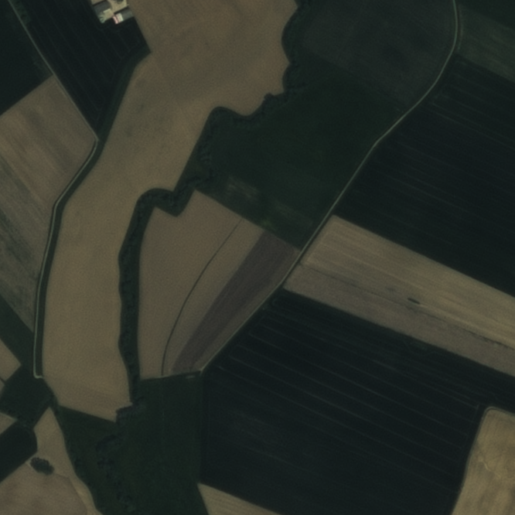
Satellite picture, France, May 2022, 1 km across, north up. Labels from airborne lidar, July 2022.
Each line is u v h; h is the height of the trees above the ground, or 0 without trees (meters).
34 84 0
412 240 0
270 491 0
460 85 0
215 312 0
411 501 0
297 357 0
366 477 0
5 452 0
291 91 8
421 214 0
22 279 0
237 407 0
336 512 0
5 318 0
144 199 14
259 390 0
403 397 0
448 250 0
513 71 0
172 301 0
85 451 0
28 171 0
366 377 0
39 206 0
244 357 0
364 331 0
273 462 0
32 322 0
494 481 0
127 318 0
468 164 0
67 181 0
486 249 0
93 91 0
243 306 0
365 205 0
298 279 0
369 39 0
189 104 0
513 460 0
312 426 0
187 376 0
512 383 0
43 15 0
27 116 0
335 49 0
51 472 21
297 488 0
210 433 0
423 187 0
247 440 0
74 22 0
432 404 0
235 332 0
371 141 0
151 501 0
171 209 8
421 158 0
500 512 0
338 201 0
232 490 0
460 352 0
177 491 0
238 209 0
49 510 0
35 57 0
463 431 0
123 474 0
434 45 0
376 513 0
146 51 0
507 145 0
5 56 0
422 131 0
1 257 0
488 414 0
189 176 0
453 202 0
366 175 0
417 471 0
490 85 0
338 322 0
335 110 0
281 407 0
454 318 0
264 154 0
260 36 0
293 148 0
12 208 0
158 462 0
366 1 0
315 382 0
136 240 11
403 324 0
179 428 0
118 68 0
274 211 0
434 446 0
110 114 0
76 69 0
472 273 0
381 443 0
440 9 0
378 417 0
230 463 0
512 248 0
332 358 0
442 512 0
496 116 0
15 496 0
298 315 0
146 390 0
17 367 0
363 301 0
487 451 0
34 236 0
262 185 0
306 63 0
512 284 0
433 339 0
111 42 0
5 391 0
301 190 0
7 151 0
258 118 13
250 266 0
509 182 0
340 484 0
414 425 0
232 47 0
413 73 0
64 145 0
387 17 0
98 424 0
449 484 0
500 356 0
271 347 0
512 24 0
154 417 0
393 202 0
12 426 0
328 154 0
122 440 16
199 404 0
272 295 0
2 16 0
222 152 0
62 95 0
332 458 0
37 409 0
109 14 0
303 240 0
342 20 0
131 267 0
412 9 0
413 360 0
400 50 0
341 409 0
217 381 0
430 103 0
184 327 0
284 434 0
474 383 0
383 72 0
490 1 0
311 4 11
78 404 0
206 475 0
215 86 0
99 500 0
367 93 0
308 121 0
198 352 0
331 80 0
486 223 0
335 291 0
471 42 0
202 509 0
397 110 0
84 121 0
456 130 0
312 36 0
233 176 0
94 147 0
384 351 0
